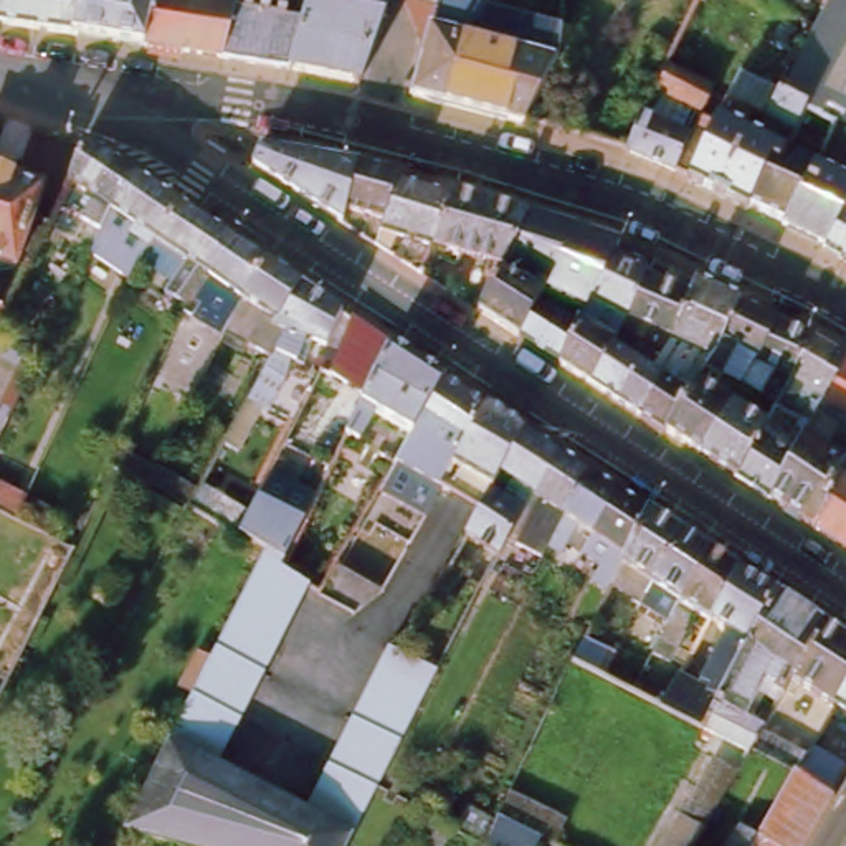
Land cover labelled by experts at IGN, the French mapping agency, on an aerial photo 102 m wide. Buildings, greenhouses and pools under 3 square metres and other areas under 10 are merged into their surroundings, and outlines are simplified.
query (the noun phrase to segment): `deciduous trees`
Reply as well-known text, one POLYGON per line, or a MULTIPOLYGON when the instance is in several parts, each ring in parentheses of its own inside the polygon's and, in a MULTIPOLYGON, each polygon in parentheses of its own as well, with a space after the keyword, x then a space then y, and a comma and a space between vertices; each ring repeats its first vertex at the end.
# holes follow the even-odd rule
POLYGON ((162 744, 172 734, 172 727, 185 720, 185 707, 178 701, 169 701, 155 711, 139 707, 129 714, 126 724, 132 740, 152 747, 162 744))
POLYGON ((820 0, 783 0, 790 7, 783 20, 800 20, 813 33, 820 0))
POLYGON ((175 625, 165 635, 165 641, 188 654, 212 651, 221 631, 212 631, 195 615, 175 625))
POLYGON ((26 377, 43 364, 43 354, 30 347, 26 330, 20 324, 33 311, 46 307, 46 301, 56 294, 56 278, 46 264, 36 264, 26 271, 23 284, 10 278, 10 284, 0 291, 0 350, 20 354, 17 373, 26 377))
POLYGON ((63 707, 63 694, 56 684, 36 684, 33 694, 23 694, 10 704, 10 711, 0 714, 0 747, 10 770, 7 790, 17 796, 30 796, 36 793, 40 763, 46 760, 43 747, 63 740, 69 714, 63 707))
POLYGON ((654 20, 644 10, 638 26, 628 17, 615 20, 611 7, 625 7, 628 0, 585 0, 578 17, 568 20, 565 33, 555 33, 552 43, 558 56, 552 69, 539 76, 539 89, 529 102, 522 126, 552 132, 588 129, 611 139, 625 139, 631 132, 635 112, 661 93, 661 73, 671 73, 674 53, 687 36, 687 26, 677 26, 674 20, 654 20))
POLYGON ((135 535, 132 522, 145 499, 145 489, 132 479, 119 479, 112 499, 96 502, 96 509, 106 516, 106 529, 89 549, 89 565, 106 565, 116 552, 145 555, 145 542, 142 535, 135 535))
POLYGON ((99 654, 89 648, 89 641, 83 641, 69 648, 66 668, 89 707, 93 701, 106 701, 119 691, 119 677, 102 677, 99 654))
POLYGON ((165 443, 162 456, 192 466, 192 473, 208 473, 215 446, 225 440, 238 413, 228 393, 221 390, 221 383, 231 370, 235 347, 218 344, 205 367, 195 373, 188 393, 182 397, 182 420, 195 420, 202 406, 208 406, 218 416, 218 423, 205 433, 205 440, 165 443))
POLYGON ((126 783, 109 800, 109 813, 122 823, 116 833, 119 846, 155 846, 142 829, 135 829, 135 820, 129 816, 139 800, 139 787, 126 783))

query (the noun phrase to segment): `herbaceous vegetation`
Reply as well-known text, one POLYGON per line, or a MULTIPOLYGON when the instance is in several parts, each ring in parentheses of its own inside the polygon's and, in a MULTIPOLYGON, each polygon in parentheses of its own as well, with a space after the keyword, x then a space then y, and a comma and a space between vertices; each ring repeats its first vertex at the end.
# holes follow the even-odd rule
POLYGON ((258 420, 251 426, 245 449, 225 459, 245 476, 258 473, 258 463, 264 449, 274 443, 278 430, 271 420, 258 420))
POLYGON ((367 443, 367 436, 360 433, 344 436, 344 443, 330 449, 330 456, 321 466, 321 479, 327 489, 317 496, 311 509, 301 509, 304 532, 297 542, 291 542, 288 565, 311 582, 324 578, 324 545, 337 542, 337 535, 347 539, 347 529, 357 522, 357 512, 367 512, 373 506, 377 482, 383 482, 383 476, 390 473, 390 463, 400 449, 400 436, 383 446, 383 459, 373 459, 370 479, 364 482, 360 496, 347 499, 337 489, 347 479, 347 449, 364 449, 367 443))
POLYGON ((397 753, 387 763, 370 803, 360 810, 364 820, 354 833, 357 846, 380 846, 390 823, 400 820, 406 810, 403 790, 420 783, 416 773, 397 753))
POLYGON ((516 701, 516 687, 522 684, 519 671, 529 661, 532 644, 549 641, 555 628, 575 625, 575 615, 582 611, 598 611, 605 595, 585 578, 582 582, 575 595, 565 601, 552 588, 532 595, 522 578, 496 572, 496 588, 476 611, 466 638, 446 651, 446 641, 456 631, 469 598, 466 585, 476 585, 486 572, 486 558, 473 542, 463 545, 456 565, 443 568, 433 578, 430 592, 403 615, 403 635, 393 648, 400 648, 406 658, 436 664, 433 681, 403 740, 413 753, 446 757, 456 753, 453 737, 463 727, 482 727, 492 737, 482 763, 489 767, 489 773, 516 777, 512 790, 506 793, 506 813, 469 810, 466 820, 459 820, 459 826, 479 833, 486 846, 644 846, 671 793, 677 790, 677 783, 697 757, 697 720, 671 711, 651 694, 605 671, 578 661, 572 671, 558 674, 562 701, 552 711, 539 697, 525 707, 522 701, 516 701))
POLYGON ((568 20, 578 17, 585 0, 469 0, 469 26, 552 43, 555 33, 565 33, 568 20))
POLYGON ((757 631, 753 651, 777 654, 783 664, 790 664, 793 677, 806 677, 810 661, 823 664, 826 674, 816 681, 823 691, 836 691, 846 677, 846 661, 816 641, 800 641, 800 631, 813 618, 816 605, 806 601, 800 592, 790 588, 783 595, 757 598, 760 615, 750 625, 757 631))
POLYGON ((109 800, 126 783, 139 787, 145 783, 155 763, 152 747, 132 740, 126 724, 129 714, 139 707, 155 711, 169 701, 178 701, 185 707, 188 694, 178 681, 185 674, 188 654, 165 641, 165 635, 175 625, 195 615, 212 631, 221 631, 251 575, 251 562, 248 545, 235 549, 231 555, 221 555, 212 545, 218 529, 205 525, 192 506, 182 506, 185 496, 195 496, 195 486, 212 486, 208 473, 192 473, 192 466, 162 456, 165 443, 205 440, 205 433, 218 423, 218 416, 208 406, 202 406, 195 420, 182 420, 182 397, 172 397, 169 390, 159 390, 152 383, 182 321, 178 304, 172 304, 169 311, 145 311, 119 291, 102 288, 93 274, 56 278, 56 294, 46 301, 46 307, 33 311, 20 324, 26 330, 30 347, 43 354, 43 364, 26 377, 17 373, 17 403, 0 433, 0 479, 17 486, 33 519, 59 539, 73 545, 73 558, 66 562, 63 578, 50 595, 40 625, 30 644, 23 648, 20 664, 10 674, 7 691, 0 694, 0 714, 10 711, 10 704, 23 694, 33 694, 36 684, 56 684, 63 694, 63 707, 69 714, 63 740, 43 747, 46 760, 40 763, 36 793, 30 796, 17 796, 7 790, 10 770, 0 747, 0 846, 119 846, 116 833, 122 823, 109 813, 109 800), (43 466, 30 469, 26 443, 36 446, 50 410, 56 410, 59 403, 66 403, 69 410, 56 430, 56 440, 43 466), (132 479, 145 489, 145 499, 132 522, 135 535, 142 535, 145 542, 145 555, 116 552, 106 565, 89 565, 89 549, 106 529, 106 516, 96 509, 96 502, 112 499, 119 479, 132 479), (89 707, 66 668, 69 648, 83 641, 89 641, 89 648, 99 654, 102 677, 119 677, 119 691, 106 701, 93 701, 89 707))
POLYGON ((40 558, 43 549, 33 535, 0 535, 0 592, 10 592, 26 582, 30 565, 40 558))
POLYGON ((790 767, 750 747, 744 750, 737 790, 720 796, 720 803, 704 816, 687 846, 760 846, 760 820, 777 800, 790 767))
POLYGON ((783 20, 790 7, 783 0, 628 0, 625 7, 611 7, 615 20, 628 17, 638 26, 644 10, 654 20, 674 20, 677 26, 687 26, 687 36, 674 53, 671 73, 701 86, 707 96, 724 93, 727 83, 737 83, 750 50, 763 40, 767 26, 783 20))

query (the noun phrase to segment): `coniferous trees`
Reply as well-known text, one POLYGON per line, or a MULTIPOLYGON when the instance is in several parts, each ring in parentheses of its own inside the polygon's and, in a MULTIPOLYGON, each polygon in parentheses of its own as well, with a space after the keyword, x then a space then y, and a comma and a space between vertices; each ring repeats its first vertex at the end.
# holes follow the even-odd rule
POLYGON ((403 790, 406 810, 400 820, 390 823, 380 846, 486 846, 479 833, 459 826, 459 820, 466 820, 469 810, 506 813, 506 793, 512 790, 516 777, 489 773, 489 767, 482 763, 492 737, 482 727, 463 727, 453 737, 456 753, 446 757, 413 753, 403 740, 397 753, 416 773, 420 783, 403 790))

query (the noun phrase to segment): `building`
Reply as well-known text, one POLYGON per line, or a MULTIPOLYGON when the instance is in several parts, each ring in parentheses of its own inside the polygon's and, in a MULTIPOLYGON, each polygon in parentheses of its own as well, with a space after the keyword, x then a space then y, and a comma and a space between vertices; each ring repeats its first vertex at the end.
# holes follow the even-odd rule
POLYGON ((17 373, 20 354, 0 350, 0 433, 17 403, 17 373))
POLYGON ((846 360, 829 364, 826 357, 803 347, 800 321, 790 321, 790 327, 777 334, 760 321, 737 314, 734 307, 740 294, 727 288, 727 274, 707 278, 704 271, 697 271, 691 274, 687 297, 674 301, 635 284, 631 278, 615 274, 595 254, 568 248, 539 231, 516 228, 525 218, 525 202, 496 195, 492 188, 473 188, 469 182, 423 182, 416 175, 390 185, 370 175, 340 175, 311 165, 297 155, 284 155, 271 145, 254 149, 251 155, 251 165, 258 169, 254 182, 284 182, 288 188, 314 202, 321 212, 327 212, 350 238, 370 245, 387 268, 397 268, 410 278, 420 278, 423 284, 430 281, 433 288, 446 288, 449 294, 456 294, 463 301, 463 311, 476 311, 476 324, 486 327, 496 340, 535 340, 539 347, 552 350, 562 370, 585 383, 592 393, 625 410, 668 443, 707 456, 711 463, 737 476, 740 486, 760 492, 793 519, 806 522, 810 529, 829 535, 846 549, 846 360))
POLYGON ((205 56, 231 69, 251 69, 264 79, 278 79, 281 86, 297 86, 304 76, 327 83, 393 83, 420 102, 446 106, 492 122, 522 126, 529 102, 539 89, 539 76, 552 69, 558 56, 552 43, 469 26, 469 0, 0 0, 0 26, 30 30, 43 36, 89 36, 109 43, 132 43, 135 50, 155 56, 162 66, 172 66, 178 56, 205 56))
POLYGON ((364 317, 350 314, 370 291, 367 281, 347 278, 327 294, 324 284, 317 284, 311 274, 291 271, 288 261, 274 258, 284 248, 284 235, 274 235, 274 245, 258 258, 251 241, 238 238, 248 225, 248 215, 235 215, 231 208, 225 208, 225 202, 208 198, 205 192, 192 205, 195 212, 188 218, 162 205, 172 195, 172 169, 159 162, 152 152, 126 145, 93 129, 93 139, 83 149, 73 149, 66 182, 59 185, 50 215, 40 225, 33 225, 30 218, 43 188, 40 175, 0 155, 0 291, 10 284, 10 278, 23 284, 26 271, 36 264, 46 264, 56 278, 93 274, 102 288, 119 291, 145 311, 169 311, 172 304, 178 304, 182 321, 152 383, 159 390, 169 390, 172 397, 182 397, 188 393, 195 373, 205 367, 218 344, 235 347, 261 354, 264 370, 258 383, 245 380, 228 393, 238 413, 225 440, 215 446, 208 473, 212 486, 195 486, 195 496, 185 496, 182 506, 192 506, 205 525, 218 529, 212 545, 221 555, 231 555, 235 549, 248 545, 251 562, 251 575, 221 631, 212 651, 188 654, 185 674, 178 681, 188 694, 185 707, 185 720, 172 727, 172 734, 162 744, 152 747, 155 763, 145 783, 139 787, 139 800, 129 816, 135 820, 135 829, 142 829, 155 846, 357 846, 354 833, 364 820, 360 810, 370 803, 387 763, 397 753, 403 740, 433 681, 436 664, 406 658, 400 648, 393 648, 403 635, 403 615, 430 592, 433 578, 443 568, 456 565, 463 545, 473 542, 489 529, 489 519, 499 512, 522 535, 522 542, 535 549, 552 545, 552 552, 578 549, 578 555, 588 555, 592 565, 585 568, 585 578, 605 595, 625 592, 635 611, 631 635, 601 635, 618 651, 605 671, 651 694, 671 711, 697 720, 697 757, 677 783, 677 790, 671 793, 644 846, 687 846, 704 816, 720 803, 720 796, 737 790, 744 750, 750 747, 790 767, 777 800, 760 820, 760 846, 810 846, 823 829, 826 813, 833 813, 833 787, 839 787, 846 777, 846 677, 836 691, 823 691, 816 681, 826 674, 823 664, 810 661, 806 677, 793 677, 790 664, 783 664, 777 654, 753 651, 757 631, 750 625, 760 615, 757 598, 720 578, 717 572, 704 568, 674 542, 644 529, 615 502, 575 482, 558 466, 545 463, 542 456, 512 440, 496 436, 492 430, 476 423, 469 410, 446 400, 436 390, 440 370, 430 357, 410 354, 406 340, 393 340, 364 317), (357 522, 347 529, 347 539, 337 535, 337 542, 324 545, 324 578, 311 582, 288 565, 291 542, 297 542, 304 532, 301 509, 311 509, 317 496, 327 489, 321 479, 321 466, 330 456, 330 449, 344 443, 344 436, 360 433, 367 430, 373 410, 380 403, 390 403, 393 410, 413 420, 413 433, 400 436, 400 449, 390 463, 390 473, 383 476, 383 482, 377 482, 373 506, 367 512, 357 512, 357 522), (251 426, 258 420, 271 420, 278 430, 274 443, 264 449, 258 463, 258 473, 245 476, 225 459, 245 449, 251 426))
POLYGON ((635 159, 628 175, 638 175, 654 188, 674 192, 681 202, 694 208, 717 212, 717 218, 734 218, 740 225, 737 241, 747 231, 760 231, 763 238, 803 254, 810 264, 826 268, 839 281, 846 281, 846 0, 820 0, 813 33, 800 20, 783 20, 767 26, 763 40, 750 50, 737 83, 727 83, 724 93, 707 96, 701 86, 671 73, 661 73, 661 93, 635 112, 631 132, 625 139, 628 155, 635 159))
POLYGON ((17 486, 0 479, 0 535, 33 535, 43 549, 56 552, 59 539, 33 519, 17 486))

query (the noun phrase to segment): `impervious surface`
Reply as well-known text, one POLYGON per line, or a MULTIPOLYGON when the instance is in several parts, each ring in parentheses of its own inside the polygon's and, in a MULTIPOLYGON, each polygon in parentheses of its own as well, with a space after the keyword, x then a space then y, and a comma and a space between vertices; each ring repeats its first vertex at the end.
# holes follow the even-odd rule
POLYGON ((7 691, 10 674, 20 664, 23 648, 30 644, 40 625, 50 595, 63 578, 66 562, 73 558, 73 545, 59 539, 56 552, 43 549, 40 558, 30 565, 26 582, 10 592, 0 592, 0 694, 7 691))
POLYGON ((734 218, 717 218, 717 212, 694 208, 681 202, 674 192, 654 188, 638 175, 628 175, 635 159, 628 155, 625 139, 611 139, 588 129, 552 132, 522 126, 492 122, 446 106, 420 102, 393 83, 327 83, 304 76, 297 86, 281 86, 278 79, 264 79, 251 69, 231 69, 205 56, 178 56, 172 66, 162 66, 155 56, 135 50, 132 43, 109 43, 89 36, 43 36, 30 30, 0 26, 0 155, 40 175, 43 188, 30 218, 33 225, 40 225, 50 215, 59 185, 66 182, 73 149, 83 149, 93 139, 93 129, 126 145, 152 152, 159 162, 172 169, 172 195, 162 205, 188 218, 195 212, 192 205, 205 192, 208 198, 225 202, 225 208, 231 208, 235 215, 248 215, 248 225, 238 238, 251 241, 258 258, 274 245, 274 235, 284 235, 284 248, 274 258, 288 261, 291 271, 311 274, 317 284, 324 284, 327 294, 347 278, 367 281, 370 291, 350 314, 364 317, 393 340, 406 340, 410 354, 430 357, 440 370, 436 390, 446 400, 469 410, 476 423, 492 430, 496 436, 512 440, 542 456, 545 463, 558 466, 575 482, 615 502, 644 529, 674 542, 704 568, 717 572, 720 578, 757 598, 783 595, 790 588, 800 592, 806 601, 816 605, 813 618, 800 631, 800 641, 816 641, 846 661, 846 549, 829 535, 810 529, 806 522, 793 519, 760 492, 740 486, 737 476, 711 463, 707 456, 668 443, 625 410, 592 393, 585 383, 562 370, 552 350, 539 347, 535 340, 496 340, 486 327, 476 324, 476 311, 463 311, 463 301, 456 294, 449 294, 446 288, 433 288, 430 281, 423 284, 420 278, 410 278, 397 268, 387 268, 370 245, 350 238, 327 212, 321 212, 314 202, 288 188, 284 182, 254 182, 258 169, 251 165, 251 155, 254 149, 271 145, 284 155, 297 155, 311 165, 340 175, 370 175, 390 185, 416 175, 423 182, 469 182, 473 188, 492 188, 496 195, 525 202, 525 218, 516 228, 539 231, 568 248, 595 254, 615 274, 631 278, 635 284, 674 301, 687 297, 691 274, 697 271, 704 271, 707 278, 727 274, 727 288, 740 294, 734 307, 737 314, 760 321, 777 334, 790 327, 790 321, 800 321, 803 347, 826 357, 829 364, 846 360, 846 281, 839 281, 826 268, 810 264, 803 254, 763 238, 760 231, 747 231, 737 241, 740 225, 734 218))
POLYGON ((370 479, 373 459, 383 459, 383 446, 400 436, 413 433, 413 420, 393 410, 390 403, 380 403, 373 410, 367 430, 360 433, 367 436, 367 443, 364 449, 347 449, 347 479, 337 489, 347 499, 360 496, 364 482, 370 479))
POLYGON ((221 383, 221 390, 228 393, 245 380, 258 383, 264 370, 261 354, 235 347, 231 370, 221 383))
POLYGON ((552 545, 535 549, 522 542, 522 535, 499 512, 489 519, 489 529, 473 542, 486 558, 486 572, 476 585, 466 585, 469 598, 456 631, 446 641, 446 651, 466 638, 476 611, 496 588, 496 572, 522 578, 539 572, 542 562, 555 558, 572 565, 568 575, 582 582, 585 578, 585 568, 592 565, 588 555, 578 555, 578 549, 552 552, 552 545))
POLYGON ((59 403, 56 410, 50 410, 36 446, 26 443, 30 469, 43 466, 56 440, 56 430, 69 410, 66 403, 59 403))
POLYGON ((826 813, 823 829, 810 846, 846 846, 846 777, 839 787, 833 787, 833 813, 826 813))

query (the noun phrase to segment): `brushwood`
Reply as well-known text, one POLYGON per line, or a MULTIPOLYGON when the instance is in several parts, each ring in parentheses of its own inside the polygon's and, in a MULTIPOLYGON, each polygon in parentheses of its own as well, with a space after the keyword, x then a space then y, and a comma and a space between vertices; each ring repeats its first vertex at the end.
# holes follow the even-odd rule
POLYGON ((532 595, 552 588, 565 601, 575 595, 582 582, 568 575, 572 565, 555 558, 542 562, 539 572, 522 578, 532 595))
POLYGON ((549 641, 532 644, 529 661, 519 671, 522 684, 516 687, 516 701, 522 701, 525 707, 539 697, 552 711, 562 701, 558 674, 572 671, 578 661, 605 671, 618 651, 601 635, 631 635, 635 611, 625 592, 605 595, 598 611, 582 611, 575 615, 575 625, 555 628, 549 641))

